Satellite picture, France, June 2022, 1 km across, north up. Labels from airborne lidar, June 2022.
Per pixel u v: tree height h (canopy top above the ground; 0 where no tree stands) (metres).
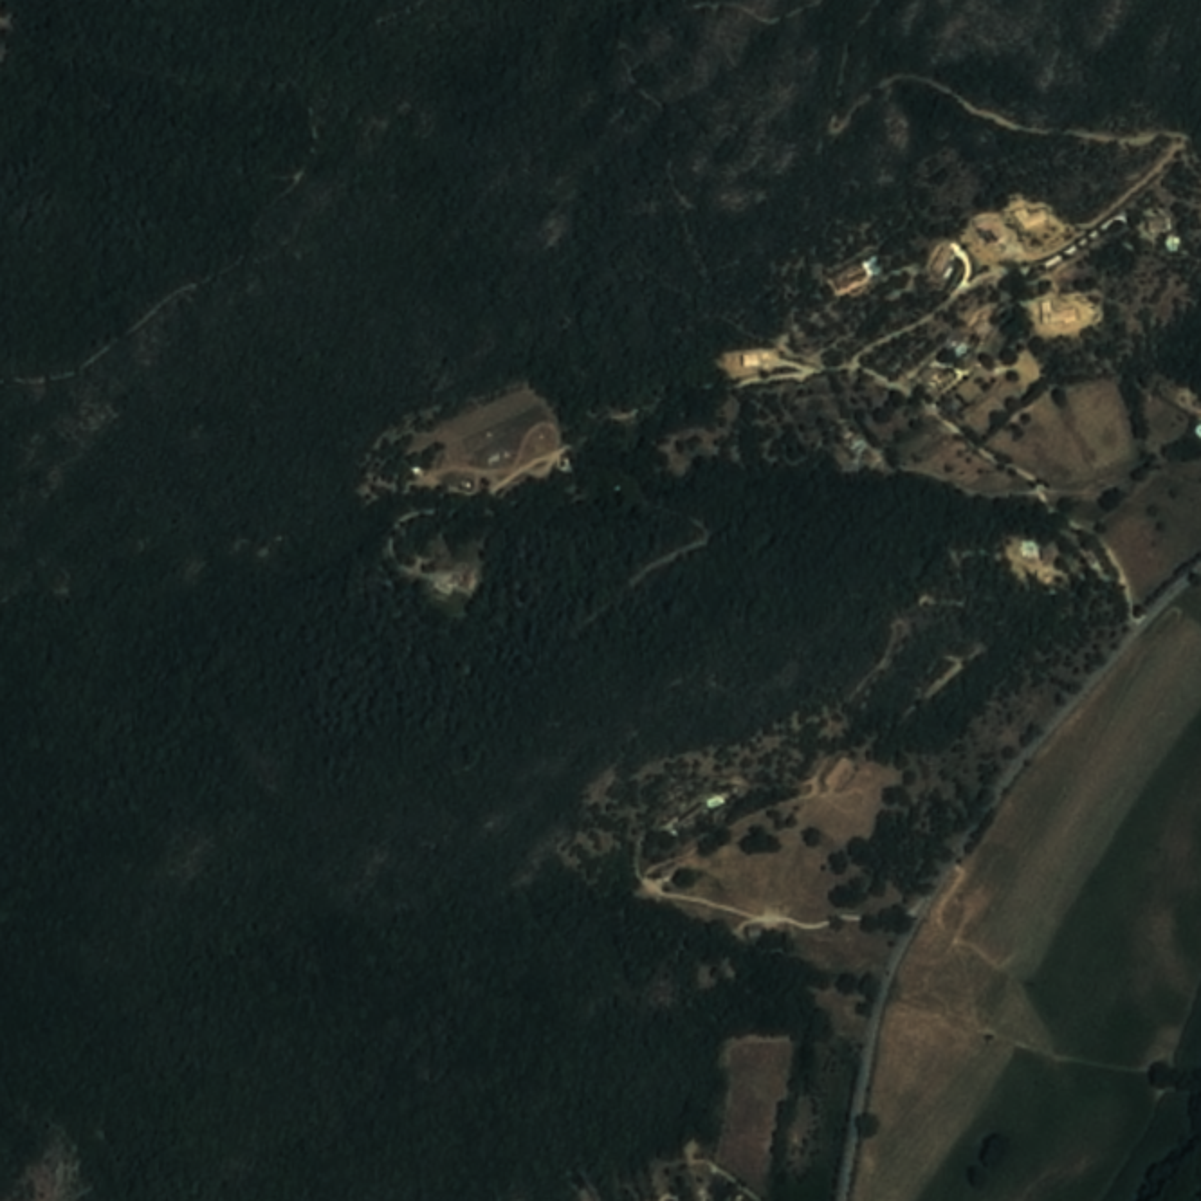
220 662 11
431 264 7
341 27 10
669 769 9
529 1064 11
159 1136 11
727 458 10
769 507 11
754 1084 0
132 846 7
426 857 8
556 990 9
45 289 9
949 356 14
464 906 9
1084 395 0
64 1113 7
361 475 9
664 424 15
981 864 0
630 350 7
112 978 7
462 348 7
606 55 9
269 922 10
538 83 8
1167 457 10
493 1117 9
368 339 8
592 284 10
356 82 10
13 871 11
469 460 0
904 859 10
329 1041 9
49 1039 8
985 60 7
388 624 14
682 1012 7
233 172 9
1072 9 7
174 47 6
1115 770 0
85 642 9
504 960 10
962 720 9
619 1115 6
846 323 7
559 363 7
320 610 15
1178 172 8
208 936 10
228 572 7
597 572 18
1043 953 0
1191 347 7
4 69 10
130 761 8
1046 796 0
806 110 8
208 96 6
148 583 7
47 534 8
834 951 0
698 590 8
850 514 6
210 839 7
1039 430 0
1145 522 0
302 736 6
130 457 10
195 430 5
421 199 11
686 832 10
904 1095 0
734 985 10
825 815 0
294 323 8
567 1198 11
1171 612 0
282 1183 11
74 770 12
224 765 9
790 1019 13
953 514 8
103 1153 11
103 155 9
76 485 6
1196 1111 16
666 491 9
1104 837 0
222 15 10
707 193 8
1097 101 10
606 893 10
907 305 7
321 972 7
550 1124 8
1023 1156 0
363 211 9
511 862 5
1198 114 12
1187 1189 33
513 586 17
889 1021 0
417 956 13
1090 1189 0
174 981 12
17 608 8
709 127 7
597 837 8
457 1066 8
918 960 0
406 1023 7
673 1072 11
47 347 8
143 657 7
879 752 9
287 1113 10
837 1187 10
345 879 8
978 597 7
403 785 5
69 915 6
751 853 9
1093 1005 0
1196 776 0
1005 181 11
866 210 8
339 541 7
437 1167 7
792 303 7
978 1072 0
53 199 13
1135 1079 0
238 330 9
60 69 6
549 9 7
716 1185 9
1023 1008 0
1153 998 0
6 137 13
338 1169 9
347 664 19
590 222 8
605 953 11
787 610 9
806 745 9
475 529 12
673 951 8
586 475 11
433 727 13
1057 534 14
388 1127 8
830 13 9
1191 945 0
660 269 6
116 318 7
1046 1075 0
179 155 10
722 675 6
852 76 9
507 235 7
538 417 0
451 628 11
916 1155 0
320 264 9
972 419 0
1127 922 0
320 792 6
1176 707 0
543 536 14
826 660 8
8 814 9
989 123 6
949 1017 0
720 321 6
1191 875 0
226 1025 12
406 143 7
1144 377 10
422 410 9
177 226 7
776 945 12
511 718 9
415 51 8
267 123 8
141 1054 6
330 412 10
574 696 7
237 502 12
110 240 9
